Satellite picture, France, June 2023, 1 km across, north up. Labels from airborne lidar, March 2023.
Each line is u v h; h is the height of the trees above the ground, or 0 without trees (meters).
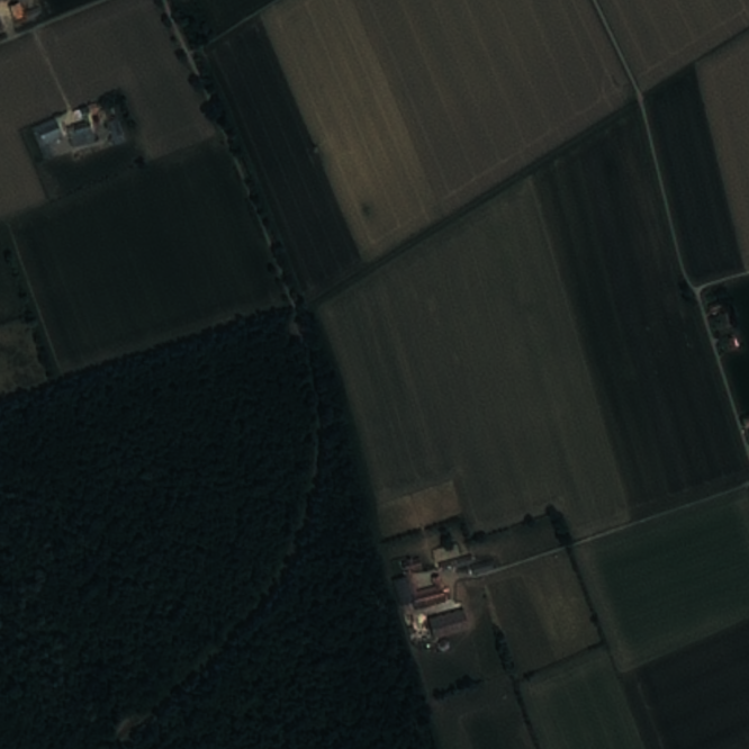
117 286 0
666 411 0
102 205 0
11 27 0
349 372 0
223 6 0
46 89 0
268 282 0
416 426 0
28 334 0
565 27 0
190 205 0
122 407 23
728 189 0
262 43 0
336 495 17
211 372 23
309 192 0
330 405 19
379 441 0
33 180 0
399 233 0
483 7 0
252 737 16
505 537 0
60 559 24
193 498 23
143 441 22
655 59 0
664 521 0
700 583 0
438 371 0
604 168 0
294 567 20
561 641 0
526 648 0
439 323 0
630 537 0
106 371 14
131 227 0
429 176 0
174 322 0
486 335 0
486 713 0
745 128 0
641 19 0
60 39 0
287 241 0
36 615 27
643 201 0
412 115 0
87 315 0
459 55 0
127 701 16
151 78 0
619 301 0
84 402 22
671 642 0
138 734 16
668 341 0
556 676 0
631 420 0
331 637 25
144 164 17
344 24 0
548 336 0
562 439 0
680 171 0
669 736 0
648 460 0
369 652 23
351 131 0
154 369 23
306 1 0
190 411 25
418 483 0
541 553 0
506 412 0
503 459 0
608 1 0
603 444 0
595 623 12
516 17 0
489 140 0
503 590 0
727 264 0
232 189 0
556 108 0
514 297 0
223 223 0
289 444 22
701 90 0
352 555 22
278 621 25
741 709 0
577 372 0
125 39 0
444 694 9
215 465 23
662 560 0
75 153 0
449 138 0
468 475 0
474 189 0
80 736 16
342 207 0
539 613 0
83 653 15
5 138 0
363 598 15
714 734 0
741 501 0
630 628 0
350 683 25
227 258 0
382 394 0
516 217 0
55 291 0
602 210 0
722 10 0
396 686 22
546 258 0
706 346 0
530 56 0
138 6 0
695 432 0
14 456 24
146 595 17
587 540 0
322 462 18
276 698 15
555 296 0
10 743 19
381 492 0
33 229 0
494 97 0
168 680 21
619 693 0
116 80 0
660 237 0
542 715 0
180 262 0
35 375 0
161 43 0
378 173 0
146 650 24
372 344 0
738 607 0
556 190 0
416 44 0
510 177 0
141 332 0
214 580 16
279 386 24
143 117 0
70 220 0
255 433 20
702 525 0
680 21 0
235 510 18
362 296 0
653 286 0
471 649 0
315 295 0
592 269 0
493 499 0
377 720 23
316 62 0
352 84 0
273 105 0
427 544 0
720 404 0
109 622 22
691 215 0
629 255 0
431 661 0
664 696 0
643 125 0
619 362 0
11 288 0
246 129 0
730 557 0
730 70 0
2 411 23
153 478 18
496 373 0
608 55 0
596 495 0
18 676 20
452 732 0
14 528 25
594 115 0
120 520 19
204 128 0
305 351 18
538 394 0
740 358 0
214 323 0
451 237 0
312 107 0
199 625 19
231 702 15
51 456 23
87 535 22
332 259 0
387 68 0
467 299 0
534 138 0
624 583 0
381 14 0
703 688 0
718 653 0
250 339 21
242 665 25
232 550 22
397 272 0
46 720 17
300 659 12
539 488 0
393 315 0
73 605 25
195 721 22
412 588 0
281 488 24
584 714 0
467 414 0
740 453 0
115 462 21
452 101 0
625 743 0
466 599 0
